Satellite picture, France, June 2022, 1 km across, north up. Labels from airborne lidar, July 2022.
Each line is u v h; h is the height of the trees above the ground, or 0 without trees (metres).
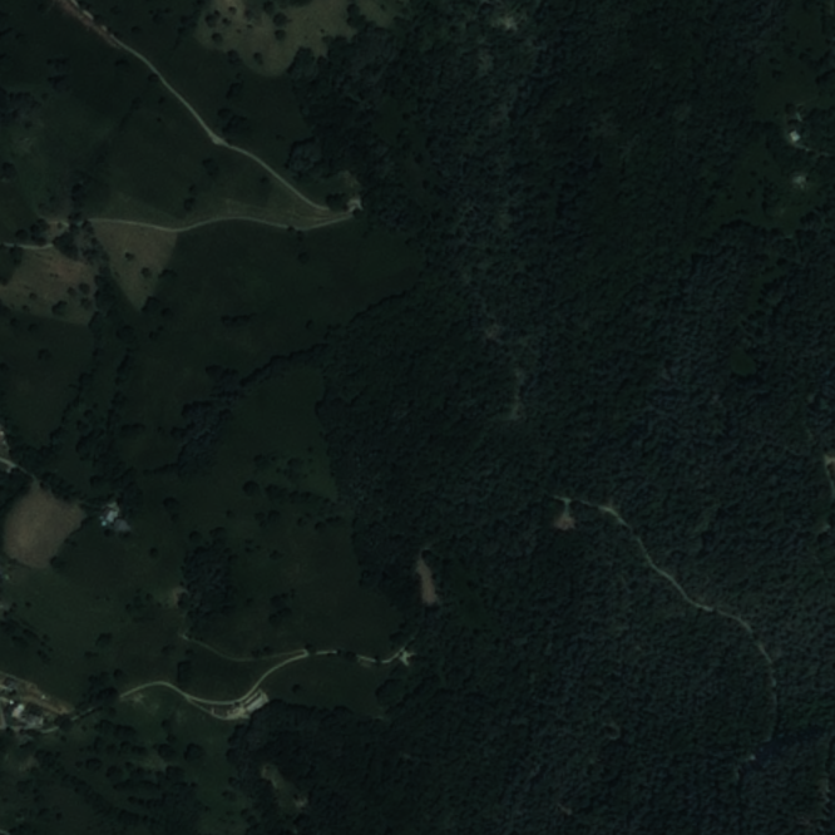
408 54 16
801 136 10
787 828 24
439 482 20
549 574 23
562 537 25
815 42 0
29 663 0
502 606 16
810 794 17
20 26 0
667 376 6
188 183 0
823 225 26
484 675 21
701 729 24
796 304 27
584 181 36
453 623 10
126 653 0
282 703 16
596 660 20
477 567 27
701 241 13
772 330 24
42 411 0
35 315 0
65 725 15
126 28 0
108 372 0
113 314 15
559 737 28
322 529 16
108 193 0
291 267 0
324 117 31
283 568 0
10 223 0
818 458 18
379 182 19
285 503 13
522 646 23
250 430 0
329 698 0
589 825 6
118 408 16
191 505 0
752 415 30
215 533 9
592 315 21
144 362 0
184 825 22
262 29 0
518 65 9
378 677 0
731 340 21
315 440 0
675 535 6
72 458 0
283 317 0
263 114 0
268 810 17
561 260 18
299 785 25
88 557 0
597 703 17
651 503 19
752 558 20
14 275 0
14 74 0
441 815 13
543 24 28
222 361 0
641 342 22
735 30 23
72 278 0
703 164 21
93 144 0
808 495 23
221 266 0
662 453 18
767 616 8
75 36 0
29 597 0
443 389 21
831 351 16
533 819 21
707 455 27
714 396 15
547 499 15
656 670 8
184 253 0
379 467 23
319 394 0
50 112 0
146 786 15
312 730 22
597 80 25
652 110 24
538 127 22
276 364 18
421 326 26
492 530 23
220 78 0
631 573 16
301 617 0
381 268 0
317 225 0
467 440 27
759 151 0
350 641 0
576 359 20
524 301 14
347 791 27
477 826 17
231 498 0
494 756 26
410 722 22
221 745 0
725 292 23
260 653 11
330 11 0
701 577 10
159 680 0
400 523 26
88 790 13
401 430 24
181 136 0
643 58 23
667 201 18
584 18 24
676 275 15
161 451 0
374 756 18
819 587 16
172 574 0
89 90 0
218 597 24
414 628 18
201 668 0
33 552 0
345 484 16
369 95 25
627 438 15
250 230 0
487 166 16
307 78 21
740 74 18
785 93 0
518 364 11
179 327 0
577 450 14
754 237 21
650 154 24
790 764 22
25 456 18
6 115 20
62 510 0
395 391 18
